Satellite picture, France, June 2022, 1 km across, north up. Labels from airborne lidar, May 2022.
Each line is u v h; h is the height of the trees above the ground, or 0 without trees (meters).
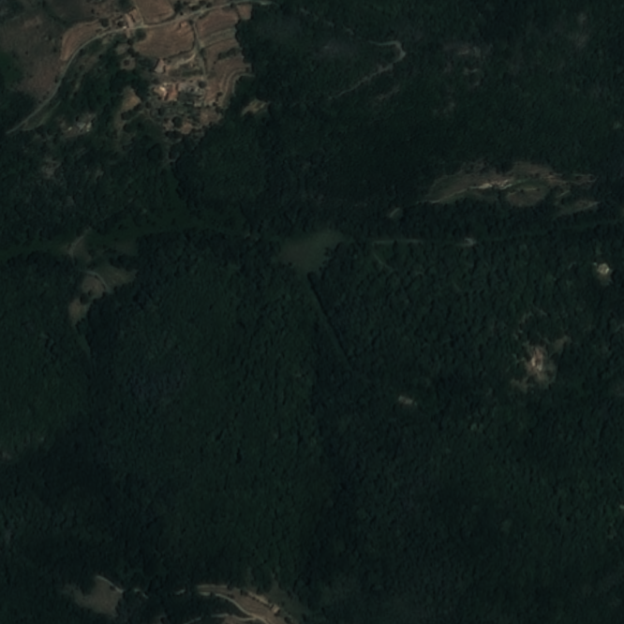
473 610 12
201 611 10
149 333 19
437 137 14
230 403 20
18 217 14
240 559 11
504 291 7
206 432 22
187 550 13
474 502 16
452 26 13
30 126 0
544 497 14
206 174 15
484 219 19
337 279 19
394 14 15
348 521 19
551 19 18
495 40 16
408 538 6
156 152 20
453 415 12
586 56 14
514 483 16
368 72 8
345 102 13
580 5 14
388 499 13
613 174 13
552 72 13
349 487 25
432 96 11
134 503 10
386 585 8
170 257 15
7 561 19
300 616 0
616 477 15
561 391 7
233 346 15
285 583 14
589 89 14
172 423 19
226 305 20
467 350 17
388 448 10
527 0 10
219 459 25
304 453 18
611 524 14
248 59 11
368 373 8
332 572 18
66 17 0
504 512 17
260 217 12
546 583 11
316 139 18
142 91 12
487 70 13
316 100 11
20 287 17
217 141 14
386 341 14
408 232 23
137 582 9
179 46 0
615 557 14
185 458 21
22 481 33
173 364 18
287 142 15
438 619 7
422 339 17
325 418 21
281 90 9
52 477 21
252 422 22
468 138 18
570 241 10
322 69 11
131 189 15
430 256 13
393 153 14
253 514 18
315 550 15
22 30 0
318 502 26
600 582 7
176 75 0
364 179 17
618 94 21
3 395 19
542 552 22
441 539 13
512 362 13
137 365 17
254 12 6
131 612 7
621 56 20
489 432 18
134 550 12
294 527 19
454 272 13
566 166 19
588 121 12
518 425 20
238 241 18
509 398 12
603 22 11
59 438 24
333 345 12
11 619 11
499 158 8
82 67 9
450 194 0
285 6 14
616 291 19
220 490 24
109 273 0
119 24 11
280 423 14
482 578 10
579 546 20
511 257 12
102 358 27
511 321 14
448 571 8
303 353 15
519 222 20
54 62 0
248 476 23
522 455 15
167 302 19
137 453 10
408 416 8
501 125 19
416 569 8
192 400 20
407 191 14
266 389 15
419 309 14
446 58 8
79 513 15
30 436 12
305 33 7
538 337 7
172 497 14
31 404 19
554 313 11
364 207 9
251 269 13
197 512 22
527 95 10
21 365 19
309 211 16
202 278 21
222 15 0
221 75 0
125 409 17
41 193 12
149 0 0
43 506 19
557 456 8
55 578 12
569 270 6
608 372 13
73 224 13
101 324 29
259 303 20
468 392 12
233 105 11
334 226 17
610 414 9
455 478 15
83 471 26
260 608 0
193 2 0
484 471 16
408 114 14
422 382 18
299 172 12
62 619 7
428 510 7
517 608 7
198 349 18
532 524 21
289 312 15
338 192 9
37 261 26
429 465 16
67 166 14
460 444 17
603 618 9
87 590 14
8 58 0
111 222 16
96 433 27
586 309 7
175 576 6
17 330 22
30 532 18
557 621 15
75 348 17
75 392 22
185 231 7
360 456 17
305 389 16
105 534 9
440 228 13
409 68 8
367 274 9
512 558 18
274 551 19
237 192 17
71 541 16
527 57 10
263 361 17
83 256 0
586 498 25
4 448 8
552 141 12
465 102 11
